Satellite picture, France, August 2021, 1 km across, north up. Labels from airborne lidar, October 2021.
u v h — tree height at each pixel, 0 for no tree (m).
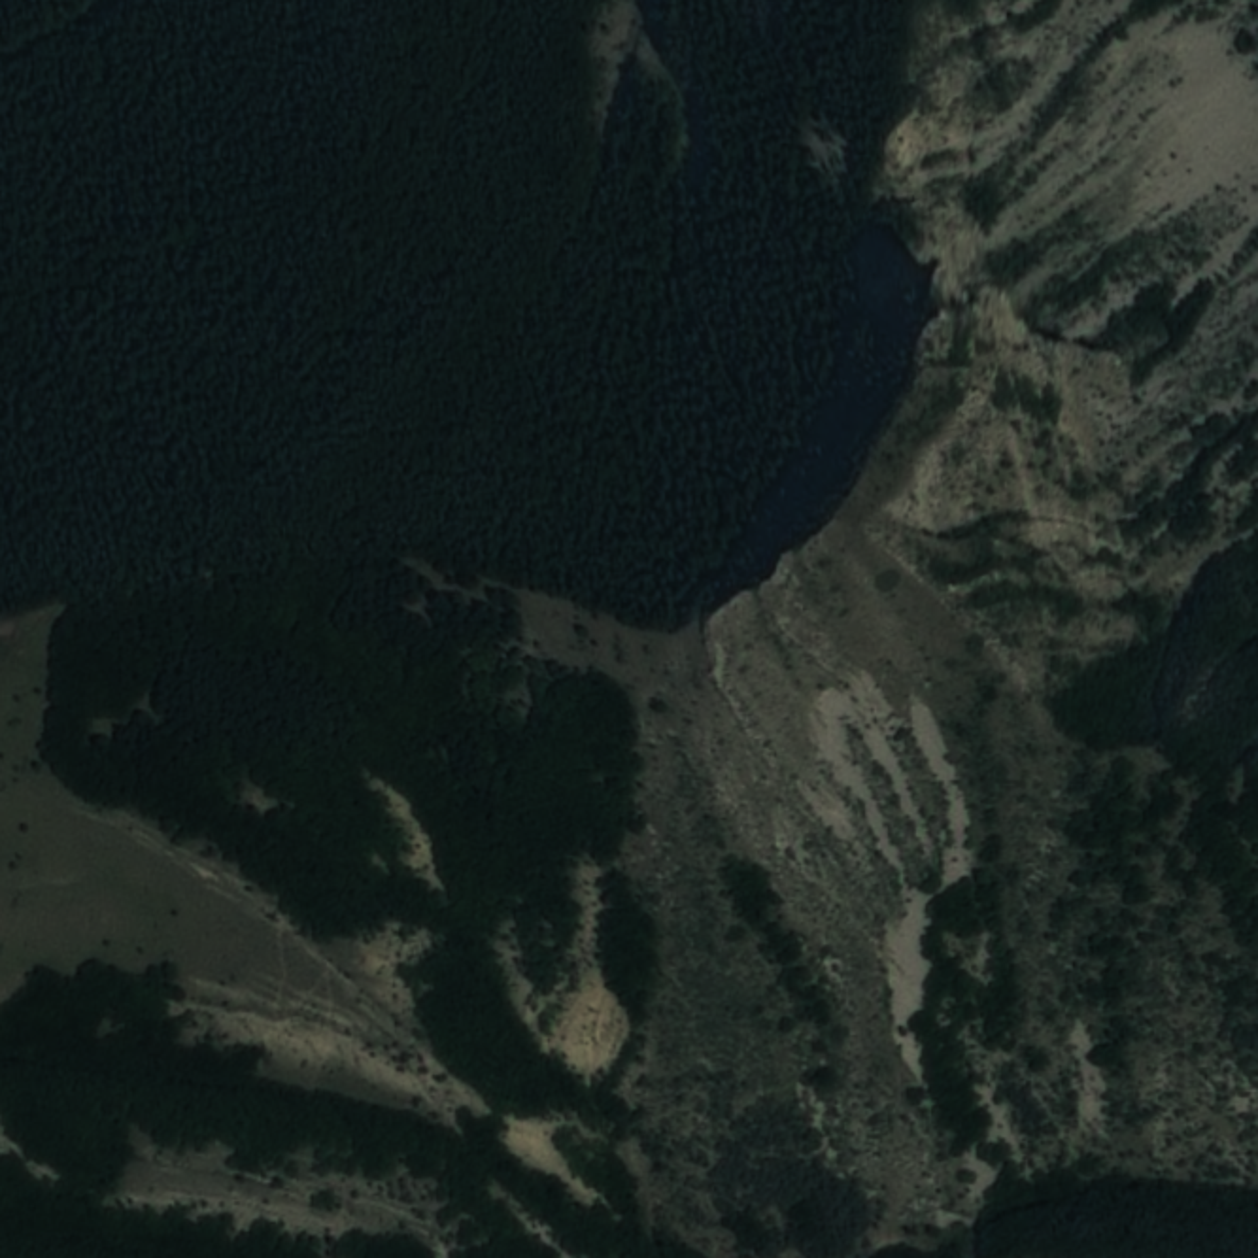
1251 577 7
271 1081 7
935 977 9
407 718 20
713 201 20
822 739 0
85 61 20
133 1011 8
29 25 24
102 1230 6
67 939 0
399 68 24
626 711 11
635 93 11
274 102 22
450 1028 10
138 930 0
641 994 6
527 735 11
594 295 19
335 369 22
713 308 19
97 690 16
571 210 18
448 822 18
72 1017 8
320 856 17
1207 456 17
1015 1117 7
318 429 17
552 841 14
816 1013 12
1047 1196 12
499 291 19
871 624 0
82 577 14
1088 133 0
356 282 26
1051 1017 7
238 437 17
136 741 10
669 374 21
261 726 22
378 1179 6
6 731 0
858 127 17
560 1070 10
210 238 20
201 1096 12
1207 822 11
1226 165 0
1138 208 0
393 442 20
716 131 15
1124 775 10
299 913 9
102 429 28
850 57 23
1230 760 8
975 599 7
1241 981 9
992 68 7
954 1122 14
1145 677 12
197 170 23
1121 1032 6
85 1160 6
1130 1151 6
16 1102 6
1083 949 7
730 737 0
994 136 0
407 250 16
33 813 0
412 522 20
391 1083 0
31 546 17
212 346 22
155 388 15
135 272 21
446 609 25
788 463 9
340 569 15
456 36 17
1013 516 5
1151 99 0
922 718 0
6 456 19
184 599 17
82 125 23
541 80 16
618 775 12
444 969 10
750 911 10
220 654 21
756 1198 8
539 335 15
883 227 10
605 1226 15
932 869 6
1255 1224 14
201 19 21
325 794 15
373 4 19
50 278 22
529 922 10
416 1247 10
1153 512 13
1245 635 6
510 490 18
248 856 12
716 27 23
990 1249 10
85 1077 12
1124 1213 11
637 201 12
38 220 18
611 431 18
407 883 14
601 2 7
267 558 11
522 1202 8
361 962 0
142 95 18
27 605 12
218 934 0
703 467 11
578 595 15
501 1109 5
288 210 20
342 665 18
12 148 22
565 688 13
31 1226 10
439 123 25
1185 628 14
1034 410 7
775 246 23
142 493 18
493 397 12
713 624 0
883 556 0
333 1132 9
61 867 0
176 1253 6
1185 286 0
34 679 0
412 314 14
